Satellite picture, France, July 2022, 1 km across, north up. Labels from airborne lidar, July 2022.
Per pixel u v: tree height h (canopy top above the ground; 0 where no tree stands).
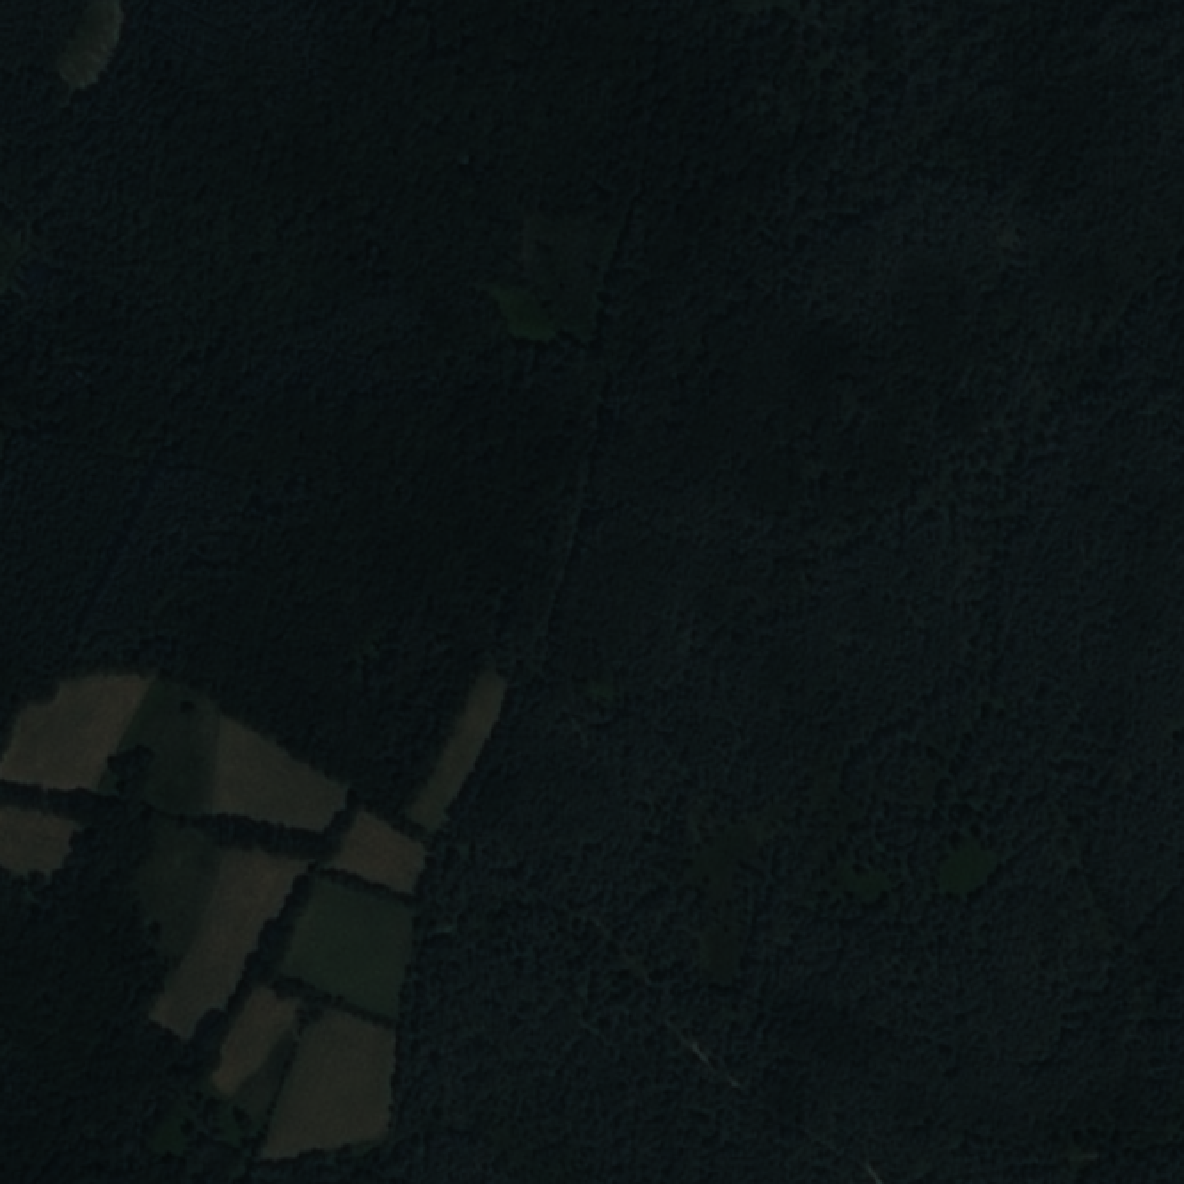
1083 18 9
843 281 19
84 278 14
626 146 23
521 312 0
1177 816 13
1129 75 16
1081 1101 19
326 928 0
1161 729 19
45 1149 18
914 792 17
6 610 18
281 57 17
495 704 0
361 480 18
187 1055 13
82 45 0
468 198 24
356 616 23
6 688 21
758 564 16
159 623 17
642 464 23
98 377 24
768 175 21
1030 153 11
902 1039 14
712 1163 17
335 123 25
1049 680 14
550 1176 6
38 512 23
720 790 8
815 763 17
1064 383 13
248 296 21
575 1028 14
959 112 9
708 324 25
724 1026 16
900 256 19
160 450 14
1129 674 19
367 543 19
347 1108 0
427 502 22
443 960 19
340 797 0
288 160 20
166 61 13
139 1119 15
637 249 21
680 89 24
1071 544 15
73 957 23
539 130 25
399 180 20
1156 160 14
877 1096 15
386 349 19
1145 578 19
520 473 24
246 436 25
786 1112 16
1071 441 18
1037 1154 15
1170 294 10
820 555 18
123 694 0
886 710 15
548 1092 12
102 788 0
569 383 26
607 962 13
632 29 25
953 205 16
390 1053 0
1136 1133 7
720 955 0
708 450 18
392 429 23
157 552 32
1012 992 14
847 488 16
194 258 18
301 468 23
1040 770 11
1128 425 16
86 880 23
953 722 11
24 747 0
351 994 0
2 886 26
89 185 21
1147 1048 21
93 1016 23
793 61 15
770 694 19
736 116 22
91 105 16
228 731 0
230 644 22
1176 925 16
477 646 18
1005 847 15
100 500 20
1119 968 15
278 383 31
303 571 24
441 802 0
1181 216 16
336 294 20
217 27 21
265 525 18
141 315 26
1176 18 22
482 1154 12
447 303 22
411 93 19
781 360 18
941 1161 14
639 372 21
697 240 16
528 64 23
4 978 23
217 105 19
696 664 14
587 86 20
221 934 0
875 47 19
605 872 12
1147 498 19
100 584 30
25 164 16
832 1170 13
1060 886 16
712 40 21
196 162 15
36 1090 21
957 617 14
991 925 10
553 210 25
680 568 19
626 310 20
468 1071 12
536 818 19
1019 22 11
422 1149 13
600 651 16
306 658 25
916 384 17
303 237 21
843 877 0
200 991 0
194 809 0
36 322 11
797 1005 17
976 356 17
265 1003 0
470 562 22
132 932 26
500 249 26
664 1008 23
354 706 20
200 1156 13
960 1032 14
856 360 17
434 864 14
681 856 15
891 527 15
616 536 21
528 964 16
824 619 15
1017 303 17
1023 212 17
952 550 15
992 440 9
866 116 10
